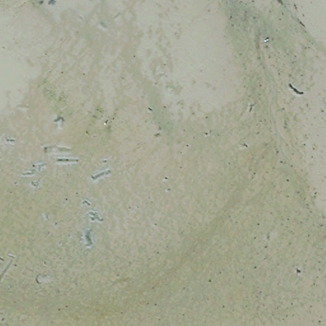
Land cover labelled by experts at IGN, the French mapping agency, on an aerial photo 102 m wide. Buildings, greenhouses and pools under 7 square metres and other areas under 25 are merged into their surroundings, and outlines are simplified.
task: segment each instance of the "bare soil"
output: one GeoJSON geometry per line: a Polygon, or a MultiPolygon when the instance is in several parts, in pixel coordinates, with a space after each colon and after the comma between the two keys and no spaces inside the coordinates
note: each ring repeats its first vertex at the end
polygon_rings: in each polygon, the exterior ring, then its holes
{"type": "Polygon", "coordinates": [[[0,326],[326,326],[326,0],[0,0],[0,326]]]}

